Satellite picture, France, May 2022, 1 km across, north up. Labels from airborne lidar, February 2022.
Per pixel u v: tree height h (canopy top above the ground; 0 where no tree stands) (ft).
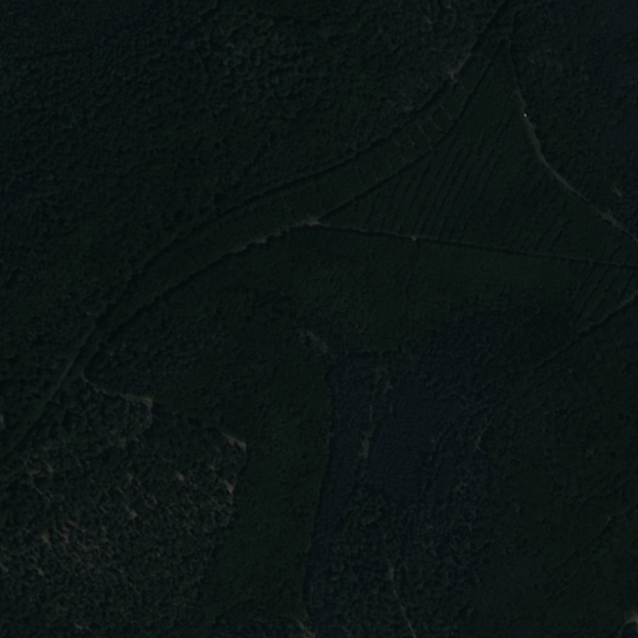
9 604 85
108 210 80
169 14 73
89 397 104
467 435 49
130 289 63
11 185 32
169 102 99
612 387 28
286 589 81
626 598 44
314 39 112
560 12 52
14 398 103
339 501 78
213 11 76
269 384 39
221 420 47
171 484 90
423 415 33
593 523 48
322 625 92
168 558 75
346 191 0
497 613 61
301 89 88
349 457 89
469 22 83
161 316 96
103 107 89
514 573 62
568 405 39
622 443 38
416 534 89
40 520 78
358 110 85
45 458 81
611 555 53
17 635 80
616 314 36
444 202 0
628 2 55
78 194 88
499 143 45
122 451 60
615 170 71
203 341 72
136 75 79
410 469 35
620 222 70
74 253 84
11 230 91
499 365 54
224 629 99
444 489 35
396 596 22
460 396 26
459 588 67
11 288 75
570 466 28
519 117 42
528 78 56
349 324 41
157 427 74
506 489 64
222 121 89
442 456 26
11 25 45
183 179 91
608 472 26
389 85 74
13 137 105
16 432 71
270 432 46
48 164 84
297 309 52
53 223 62
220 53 94
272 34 108
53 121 102
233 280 63
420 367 66
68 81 93
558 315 60
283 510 65
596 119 59
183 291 91
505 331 57
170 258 53
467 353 58
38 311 94
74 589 79
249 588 62
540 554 54
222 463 73
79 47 33
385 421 36
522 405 65
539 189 54
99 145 97
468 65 48
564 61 50
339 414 117
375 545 112
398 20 97
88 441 71
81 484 85
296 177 42
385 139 57
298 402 52
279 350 48
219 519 66
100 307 83
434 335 72
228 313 85
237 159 83
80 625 88
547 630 47
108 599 75
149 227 96
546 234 48
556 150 54
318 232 52
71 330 83
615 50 52
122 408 75
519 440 47
